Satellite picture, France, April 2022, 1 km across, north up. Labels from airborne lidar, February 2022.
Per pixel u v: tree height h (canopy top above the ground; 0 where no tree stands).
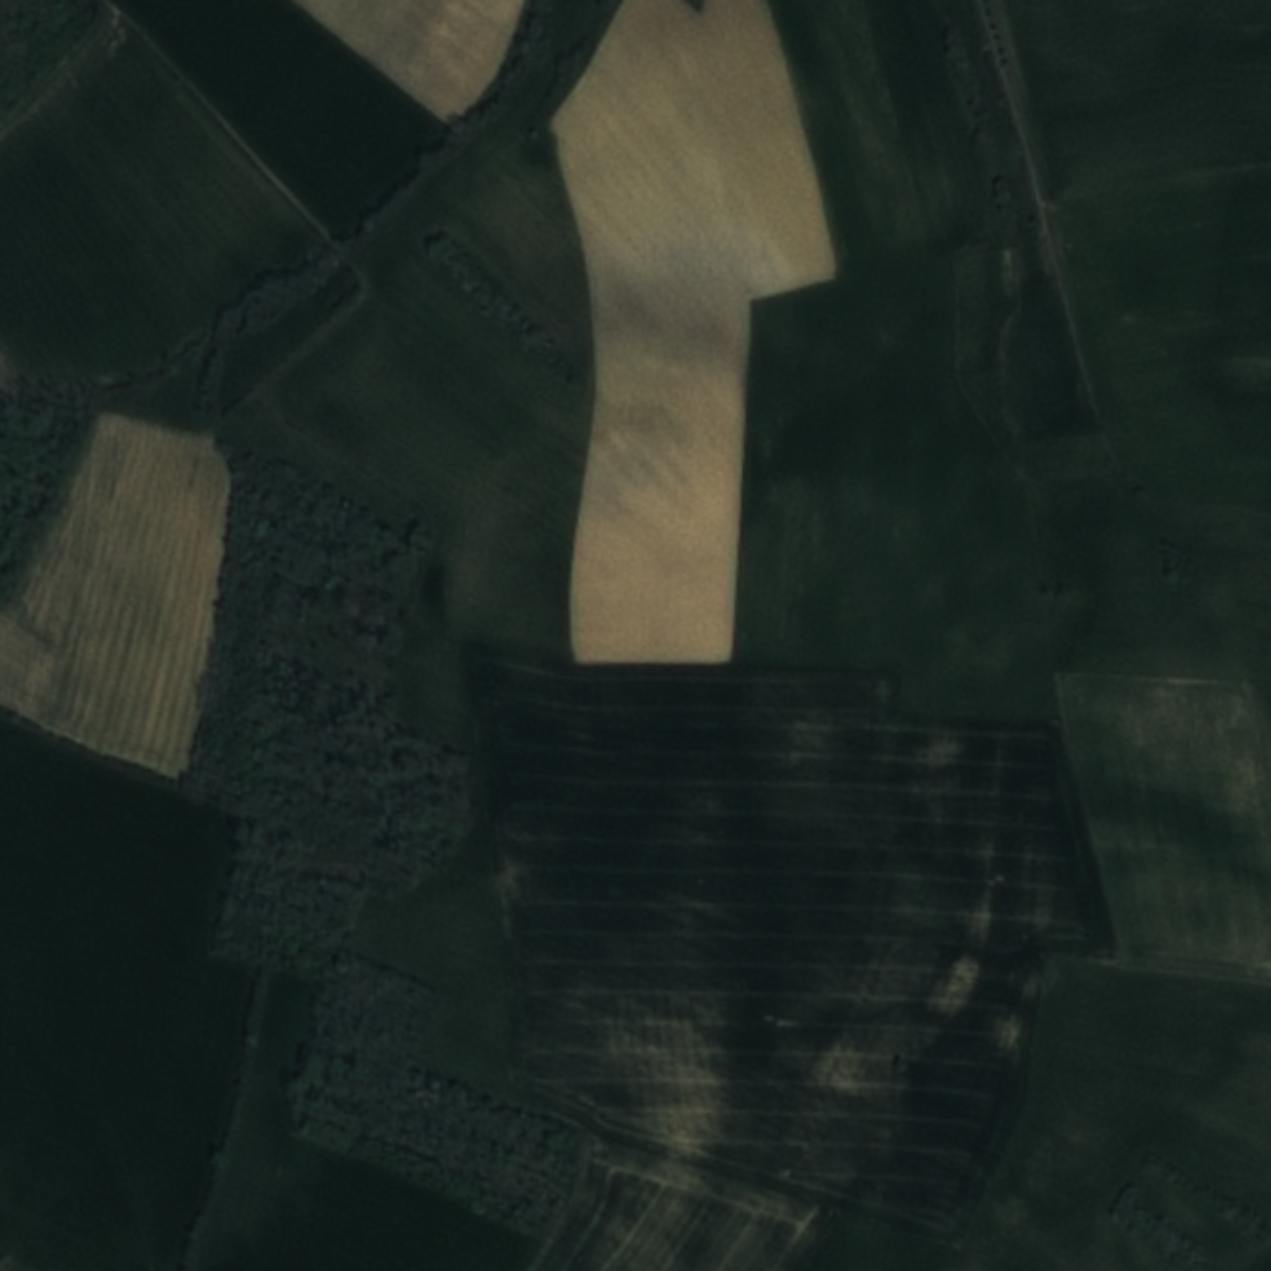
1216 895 0
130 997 0
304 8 0
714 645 0
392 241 0
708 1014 0
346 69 0
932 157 0
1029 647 0
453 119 0
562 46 0
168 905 0
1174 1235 11
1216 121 0
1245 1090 0
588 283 0
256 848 12
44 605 0
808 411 0
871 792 0
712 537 0
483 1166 23
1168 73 0
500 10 0
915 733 0
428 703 0
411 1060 17
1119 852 0
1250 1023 0
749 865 0
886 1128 0
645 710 0
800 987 0
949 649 0
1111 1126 0
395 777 26
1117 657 0
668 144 0
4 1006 0
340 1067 20
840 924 0
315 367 0
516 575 0
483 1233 0
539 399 0
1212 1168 0
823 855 0
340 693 6
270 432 0
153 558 0
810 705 0
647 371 0
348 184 0
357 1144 18
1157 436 0
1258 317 0
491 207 0
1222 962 0
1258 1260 0
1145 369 0
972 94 6
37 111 0
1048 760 0
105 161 0
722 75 0
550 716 0
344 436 0
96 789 0
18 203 0
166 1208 0
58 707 0
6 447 29
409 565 19
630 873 0
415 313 0
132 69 0
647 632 0
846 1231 0
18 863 0
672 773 0
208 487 0
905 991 0
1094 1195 0
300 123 0
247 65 0
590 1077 0
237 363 0
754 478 0
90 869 0
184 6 0
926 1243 0
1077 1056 0
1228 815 0
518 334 7
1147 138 0
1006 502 0
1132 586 0
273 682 14
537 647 0
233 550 13
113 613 0
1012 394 0
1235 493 0
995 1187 0
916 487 0
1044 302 0
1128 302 0
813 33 0
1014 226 9
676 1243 0
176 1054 0
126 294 0
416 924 0
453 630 0
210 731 7
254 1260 0
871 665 0
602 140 0
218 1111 0
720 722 0
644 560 0
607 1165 0
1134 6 0
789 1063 0
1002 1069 0
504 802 0
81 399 25
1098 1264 0
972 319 0
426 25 0
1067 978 0
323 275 15
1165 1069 0
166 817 0
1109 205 0
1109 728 0
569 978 0
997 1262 0
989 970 0
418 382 0
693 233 0
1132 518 0
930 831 0
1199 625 0
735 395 0
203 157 0
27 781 0
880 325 0
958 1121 0
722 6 0
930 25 0
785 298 0
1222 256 0
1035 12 0
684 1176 0
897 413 0
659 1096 0
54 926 0
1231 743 0
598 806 0
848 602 0
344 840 13
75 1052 0
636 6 0
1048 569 0
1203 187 0
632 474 0
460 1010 0
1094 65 0
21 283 0
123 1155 0
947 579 0
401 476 0
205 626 0
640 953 0
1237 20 0
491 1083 0
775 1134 0
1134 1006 0
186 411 0
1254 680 0
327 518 20
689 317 0
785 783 0
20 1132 0
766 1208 0
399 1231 0
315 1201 0
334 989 14
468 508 0
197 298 0
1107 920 0
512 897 0
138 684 0
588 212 0
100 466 0
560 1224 16
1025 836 0
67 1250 0
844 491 0
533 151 0
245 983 0
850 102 0
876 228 0
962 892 0
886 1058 0
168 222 0
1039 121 0
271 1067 0
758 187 0
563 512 0
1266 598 0
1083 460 0
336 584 22
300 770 18
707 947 0
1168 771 0
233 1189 0
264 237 0
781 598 0
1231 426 0
